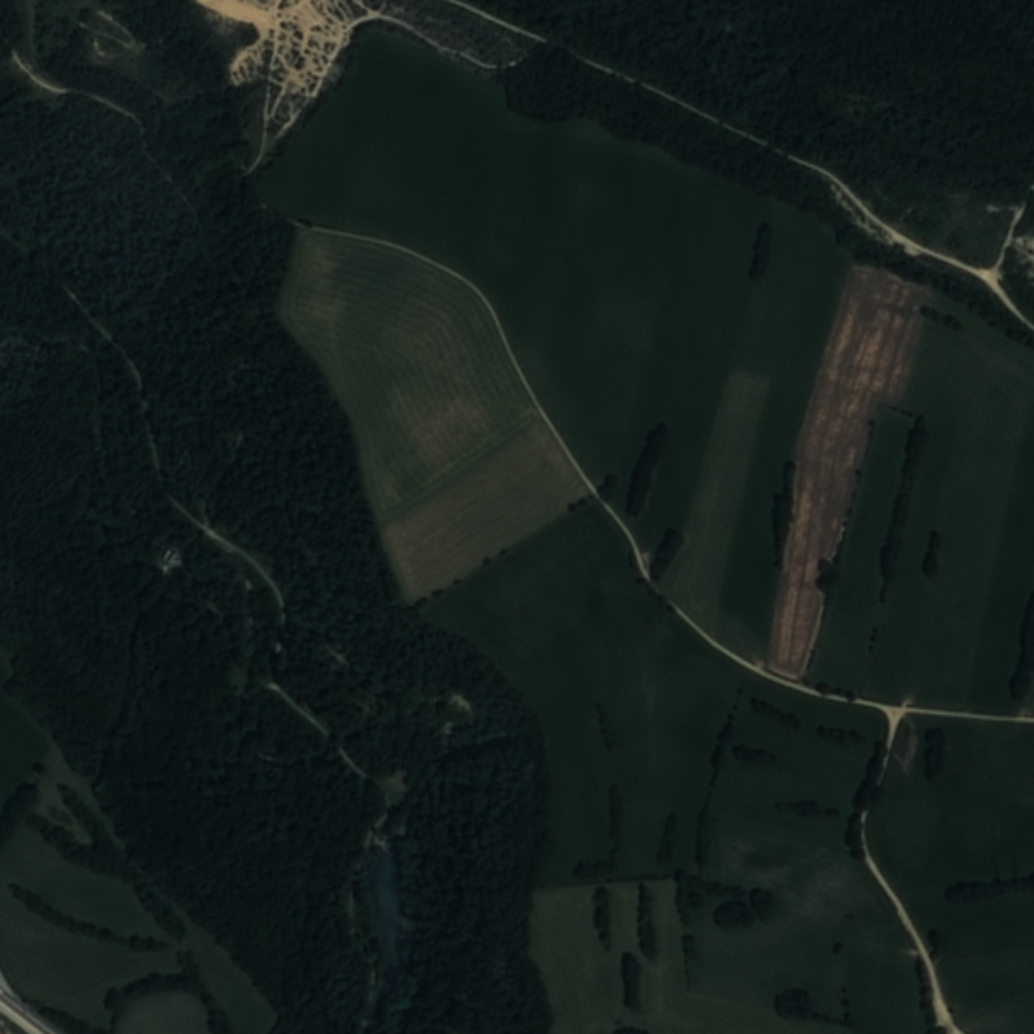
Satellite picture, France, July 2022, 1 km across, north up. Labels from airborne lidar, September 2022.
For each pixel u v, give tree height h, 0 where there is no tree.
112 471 22
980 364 0
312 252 0
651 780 0
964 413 0
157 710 27
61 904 0
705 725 0
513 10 13
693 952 12
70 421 14
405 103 0
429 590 0
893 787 0
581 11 9
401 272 0
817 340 0
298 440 20
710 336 0
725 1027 0
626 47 13
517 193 0
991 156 8
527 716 15
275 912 14
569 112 10
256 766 24
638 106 11
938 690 0
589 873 11
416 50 0
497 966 7
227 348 18
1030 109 20
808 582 0
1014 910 0
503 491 0
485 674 19
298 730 15
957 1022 0
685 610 0
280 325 12
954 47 15
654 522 0
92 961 0
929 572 13
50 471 18
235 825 32
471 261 0
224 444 8
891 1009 0
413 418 0
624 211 0
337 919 22
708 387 0
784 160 6
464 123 0
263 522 18
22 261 13
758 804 0
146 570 27
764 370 0
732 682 0
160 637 25
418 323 0
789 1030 0
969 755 0
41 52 10
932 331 0
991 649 0
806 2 15
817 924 0
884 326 0
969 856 0
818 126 13
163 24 11
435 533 0
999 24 21
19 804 20
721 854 0
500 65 6
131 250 20
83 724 7
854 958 0
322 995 31
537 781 17
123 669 11
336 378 0
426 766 16
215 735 35
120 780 21
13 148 17
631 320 0
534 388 0
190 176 12
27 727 0
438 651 15
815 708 0
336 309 0
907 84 10
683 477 0
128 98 9
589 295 0
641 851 0
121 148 12
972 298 7
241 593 25
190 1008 0
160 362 11
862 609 0
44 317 15
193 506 11
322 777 23
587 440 0
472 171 0
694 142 15
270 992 20
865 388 0
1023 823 0
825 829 0
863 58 12
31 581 13
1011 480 0
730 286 0
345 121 0
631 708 0
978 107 13
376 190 0
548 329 0
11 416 18
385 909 0
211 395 11
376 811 21
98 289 24
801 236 0
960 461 0
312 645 19
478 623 0
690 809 0
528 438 0
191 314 22
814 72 13
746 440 0
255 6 0
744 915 18
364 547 19
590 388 0
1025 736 0
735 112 22
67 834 13
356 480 16
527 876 17
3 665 0
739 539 0
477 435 0
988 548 0
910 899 0
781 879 0
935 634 0
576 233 0
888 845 0
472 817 26
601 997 0
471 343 0
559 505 0
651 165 0
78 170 22
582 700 0
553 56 13
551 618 0
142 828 16
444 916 14
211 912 17
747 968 0
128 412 7
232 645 18
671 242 0
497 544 0
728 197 0
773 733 0
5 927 0
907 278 18
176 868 16
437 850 10
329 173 0
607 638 0
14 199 12
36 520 14
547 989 16
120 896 0
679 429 0
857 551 0
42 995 0
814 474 0
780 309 0
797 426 0
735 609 0
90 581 19
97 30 0
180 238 17
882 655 0
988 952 0
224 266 23
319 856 20
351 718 13
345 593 21
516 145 0
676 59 16
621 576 0
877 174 10
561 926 0
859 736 13
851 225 9
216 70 7
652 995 0
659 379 0
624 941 0
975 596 0
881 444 0
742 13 22
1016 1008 0
